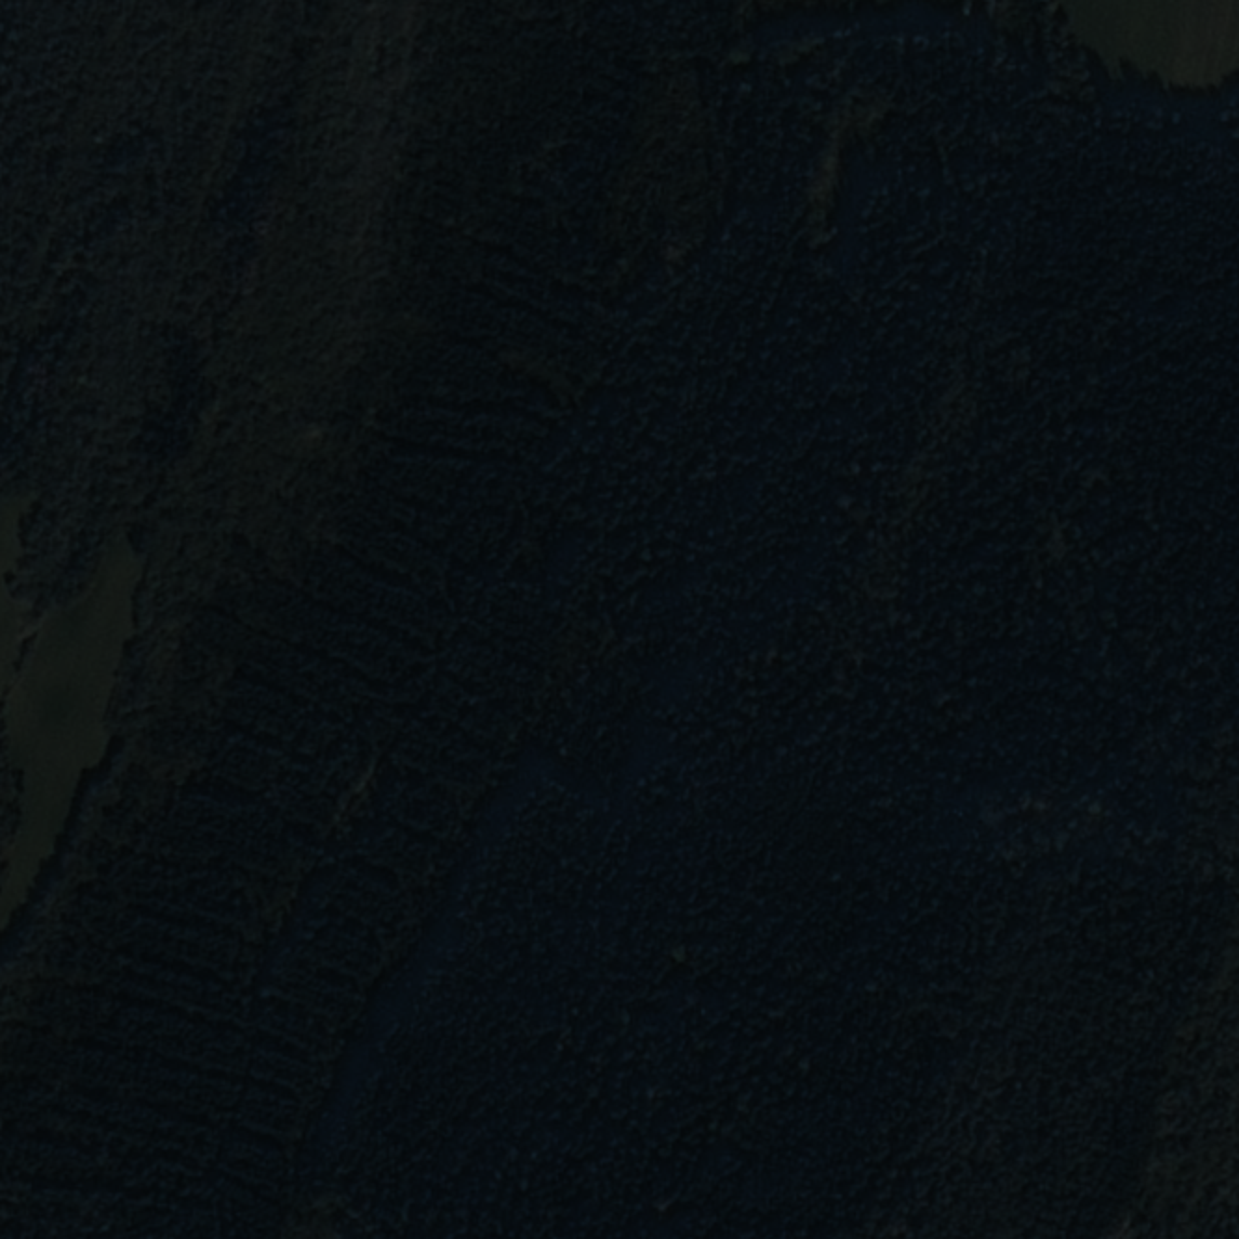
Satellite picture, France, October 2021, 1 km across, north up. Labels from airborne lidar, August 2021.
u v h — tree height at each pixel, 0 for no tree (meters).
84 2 10
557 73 21
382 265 19
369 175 15
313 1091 23
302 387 13
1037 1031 24
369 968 28
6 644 0
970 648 21
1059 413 20
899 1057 26
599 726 19
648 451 28
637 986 29
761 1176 18
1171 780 22
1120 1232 18
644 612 19
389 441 21
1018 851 16
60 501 10
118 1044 27
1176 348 31
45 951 15
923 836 29
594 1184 27
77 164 7
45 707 0
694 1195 27
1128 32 0
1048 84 23
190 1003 27
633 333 27
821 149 18
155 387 15
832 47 19
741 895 28
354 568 22
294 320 8
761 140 28
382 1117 30
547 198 23
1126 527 11
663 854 27
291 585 16
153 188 19
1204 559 19
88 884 9
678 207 6
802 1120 26
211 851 28
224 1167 28
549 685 10
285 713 21
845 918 21
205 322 17
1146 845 20
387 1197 22
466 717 26
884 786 30
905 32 15
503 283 25
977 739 24
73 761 0
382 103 10
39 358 22
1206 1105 14
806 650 21
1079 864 18
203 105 11
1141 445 24
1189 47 0
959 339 14
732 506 19
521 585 30
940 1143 23
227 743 22
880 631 18
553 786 31
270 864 24
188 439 20
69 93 11
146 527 15
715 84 18
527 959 15
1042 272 28
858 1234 23
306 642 19
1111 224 29
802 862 22
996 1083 19
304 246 14
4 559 0
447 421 24
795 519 24
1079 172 23
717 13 27
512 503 22
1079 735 28
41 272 8
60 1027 17
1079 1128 25
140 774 22
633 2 16
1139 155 25
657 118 8
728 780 19
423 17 15
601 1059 30
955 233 27
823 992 22
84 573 20
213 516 14
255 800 21
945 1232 24
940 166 11
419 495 19
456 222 19
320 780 24
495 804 17
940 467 15
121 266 7
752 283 33
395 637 18
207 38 8
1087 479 27
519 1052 18
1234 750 15
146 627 8
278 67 17
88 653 0
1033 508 21
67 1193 24
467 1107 17
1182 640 19
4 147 6
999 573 26
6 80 9
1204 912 26
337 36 8
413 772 12
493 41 19
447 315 20
